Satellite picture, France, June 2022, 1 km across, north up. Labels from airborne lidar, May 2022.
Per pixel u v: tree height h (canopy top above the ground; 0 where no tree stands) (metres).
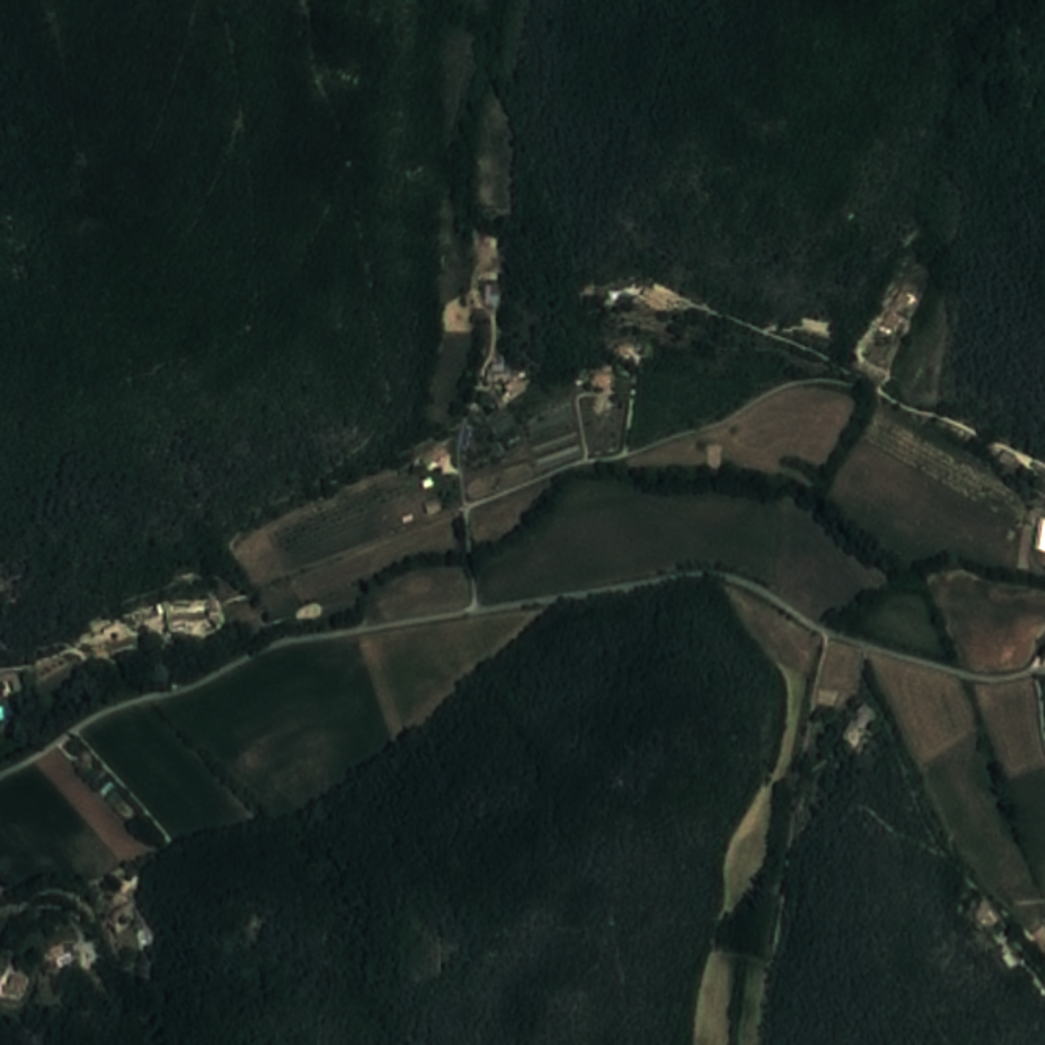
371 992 12
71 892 10
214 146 9
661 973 6
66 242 6
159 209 7
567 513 0
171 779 0
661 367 7
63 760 0
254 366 6
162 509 13
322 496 12
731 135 8
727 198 7
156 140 7
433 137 9
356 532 0
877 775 7
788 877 8
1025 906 0
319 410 6
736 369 6
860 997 7
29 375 7
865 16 12
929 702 0
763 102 6
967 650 0
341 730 0
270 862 13
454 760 11
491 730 9
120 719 0
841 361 10
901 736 10
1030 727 0
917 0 7
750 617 0
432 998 6
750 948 11
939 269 16
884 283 9
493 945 7
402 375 10
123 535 7
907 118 8
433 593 0
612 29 6
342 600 0
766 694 7
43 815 0
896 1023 6
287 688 0
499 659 12
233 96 8
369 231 6
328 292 8
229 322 7
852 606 7
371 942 11
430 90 11
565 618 12
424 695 0
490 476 0
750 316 10
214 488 8
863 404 15
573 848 8
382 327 6
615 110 6
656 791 6
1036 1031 6
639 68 10
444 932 10
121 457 7
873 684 11
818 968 6
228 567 13
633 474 11
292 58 8
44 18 6
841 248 8
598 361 7
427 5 7
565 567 0
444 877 14
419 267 8
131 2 6
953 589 0
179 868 11
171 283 8
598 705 7
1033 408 9
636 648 11
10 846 0
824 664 0
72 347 6
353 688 0
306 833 9
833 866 5
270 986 15
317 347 7
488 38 16
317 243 8
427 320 14
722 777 7
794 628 0
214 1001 10
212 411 6
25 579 12
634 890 6
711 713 8
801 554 0
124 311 7
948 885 8
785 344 10
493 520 0
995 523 0
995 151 6
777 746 8
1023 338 7
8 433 7
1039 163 8
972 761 0
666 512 0
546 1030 5
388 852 13
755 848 0
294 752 0
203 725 0
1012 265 8
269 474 9
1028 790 0
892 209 7
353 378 9
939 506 0
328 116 9
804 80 7
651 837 7
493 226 11
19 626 17
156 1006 17
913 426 0
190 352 7
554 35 7
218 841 13
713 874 10
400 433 8
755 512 0
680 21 9
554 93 8
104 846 0
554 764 7
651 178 6
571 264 8
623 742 7
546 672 10
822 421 0
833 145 8
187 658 23
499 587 0
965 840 0
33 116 12
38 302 8
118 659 16
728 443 0
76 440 7
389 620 0
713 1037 0
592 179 8
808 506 14
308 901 12
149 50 8
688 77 9
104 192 8
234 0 6
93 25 6
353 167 7
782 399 0
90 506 13
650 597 11
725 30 7
